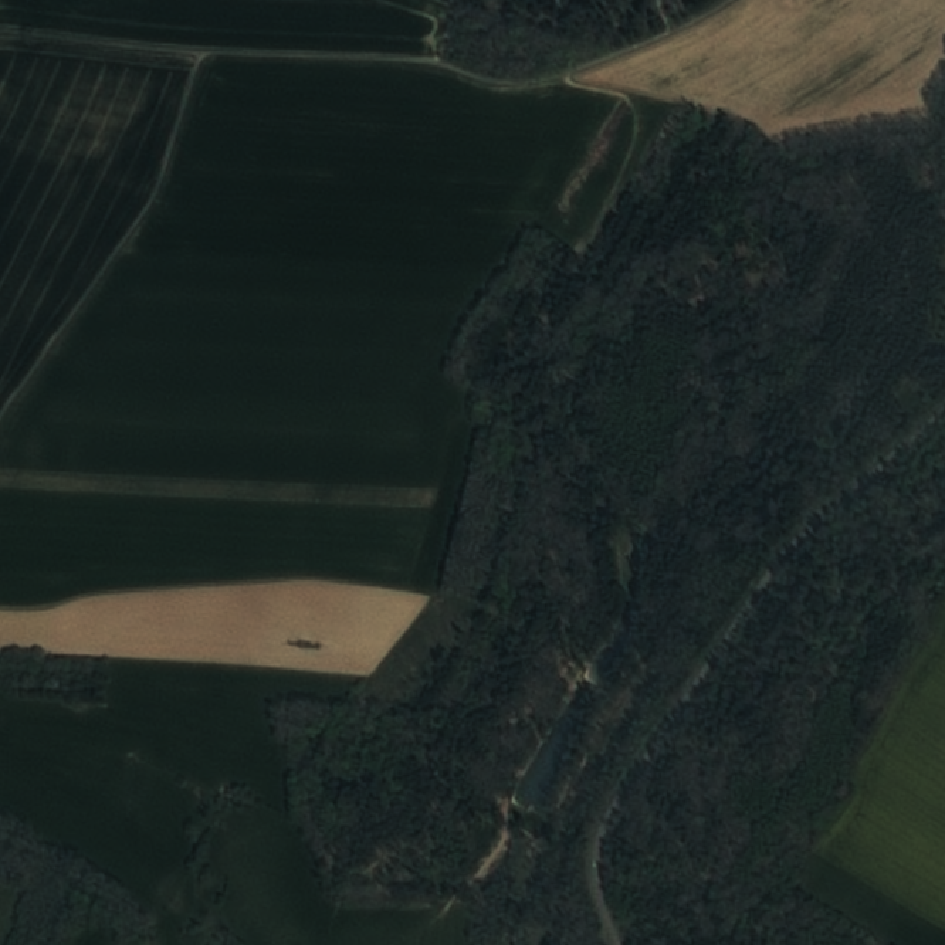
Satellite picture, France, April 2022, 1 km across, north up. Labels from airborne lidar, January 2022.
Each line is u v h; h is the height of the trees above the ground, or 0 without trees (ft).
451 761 91
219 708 0
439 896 82
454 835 73
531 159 0
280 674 0
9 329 0
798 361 91
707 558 101
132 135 0
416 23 0
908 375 84
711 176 48
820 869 0
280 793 0
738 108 0
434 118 0
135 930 85
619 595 112
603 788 72
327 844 73
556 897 99
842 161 74
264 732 0
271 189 0
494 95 0
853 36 0
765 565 68
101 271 0
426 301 0
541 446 102
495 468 78
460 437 0
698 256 92
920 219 81
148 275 0
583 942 95
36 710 0
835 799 41
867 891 0
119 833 0
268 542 0
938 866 0
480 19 93
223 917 0
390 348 0
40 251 0
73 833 0
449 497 0
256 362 0
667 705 59
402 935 0
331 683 0
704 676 0
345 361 0
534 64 68
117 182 0
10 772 0
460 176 0
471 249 0
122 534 0
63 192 0
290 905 0
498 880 52
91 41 0
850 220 110
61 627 0
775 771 46
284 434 0
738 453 117
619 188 0
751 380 88
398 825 78
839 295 91
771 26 0
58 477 0
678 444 83
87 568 0
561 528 119
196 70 0
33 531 0
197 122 0
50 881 74
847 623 60
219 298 0
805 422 106
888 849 0
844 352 97
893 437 78
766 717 72
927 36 0
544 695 104
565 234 0
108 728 0
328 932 0
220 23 0
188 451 0
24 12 0
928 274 75
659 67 0
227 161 0
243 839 0
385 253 0
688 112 66
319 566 0
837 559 47
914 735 0
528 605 83
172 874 0
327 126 0
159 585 0
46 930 66
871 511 73
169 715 0
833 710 64
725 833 67
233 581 0
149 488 0
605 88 0
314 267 0
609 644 81
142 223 0
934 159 88
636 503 80
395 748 63
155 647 0
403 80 0
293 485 0
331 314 0
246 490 0
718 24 0
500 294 85
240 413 0
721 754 61
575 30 88
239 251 0
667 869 59
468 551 79
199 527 0
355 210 0
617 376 83
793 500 100
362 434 0
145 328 0
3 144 0
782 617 55
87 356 0
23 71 0
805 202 89
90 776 0
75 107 0
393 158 0
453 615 0
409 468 0
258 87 0
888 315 73
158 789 0
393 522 0
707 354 89
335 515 0
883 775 0
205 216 0
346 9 0
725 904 69
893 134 97
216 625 0
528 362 104
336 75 0
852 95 0
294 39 0
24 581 0
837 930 49
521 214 0
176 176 0
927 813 0
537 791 0
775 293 73
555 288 105
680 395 82
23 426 0
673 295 48
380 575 0
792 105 0
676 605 89
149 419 0
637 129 0
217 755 0
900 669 48
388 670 0
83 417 0
